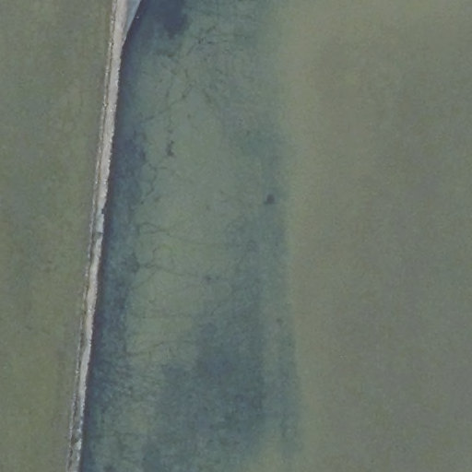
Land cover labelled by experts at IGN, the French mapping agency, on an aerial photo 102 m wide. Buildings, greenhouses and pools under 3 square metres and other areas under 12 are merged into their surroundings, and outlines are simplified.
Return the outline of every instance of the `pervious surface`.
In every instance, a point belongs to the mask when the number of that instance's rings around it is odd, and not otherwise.
[[[92,321],[98,293],[98,267],[103,242],[103,206],[107,199],[107,181],[111,168],[120,55],[124,46],[125,31],[135,18],[140,0],[114,0],[112,41],[109,44],[112,46],[112,65],[105,68],[105,81],[109,81],[109,96],[103,96],[103,107],[107,107],[107,116],[94,179],[100,194],[94,195],[92,199],[88,225],[88,232],[96,232],[96,243],[94,260],[87,273],[90,286],[87,293],[85,350],[81,358],[79,389],[70,396],[68,435],[72,437],[66,448],[65,472],[77,472],[83,446],[83,413],[87,393],[88,361],[92,350]]]

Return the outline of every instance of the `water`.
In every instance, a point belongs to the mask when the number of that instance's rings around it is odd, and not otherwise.
[[[0,0],[0,472],[65,472],[66,448],[72,437],[68,435],[70,396],[79,389],[81,358],[85,350],[87,293],[90,286],[87,273],[94,260],[96,243],[96,232],[88,232],[88,225],[92,199],[94,195],[100,194],[94,179],[107,116],[107,107],[103,107],[103,96],[109,96],[109,81],[105,81],[105,68],[112,65],[112,46],[109,44],[112,41],[114,0]]]
[[[472,472],[472,0],[140,0],[135,18],[125,31],[124,46],[120,55],[111,168],[107,181],[107,199],[103,206],[103,242],[98,267],[98,293],[92,321],[92,350],[88,361],[87,393],[83,413],[83,446],[77,472]]]

